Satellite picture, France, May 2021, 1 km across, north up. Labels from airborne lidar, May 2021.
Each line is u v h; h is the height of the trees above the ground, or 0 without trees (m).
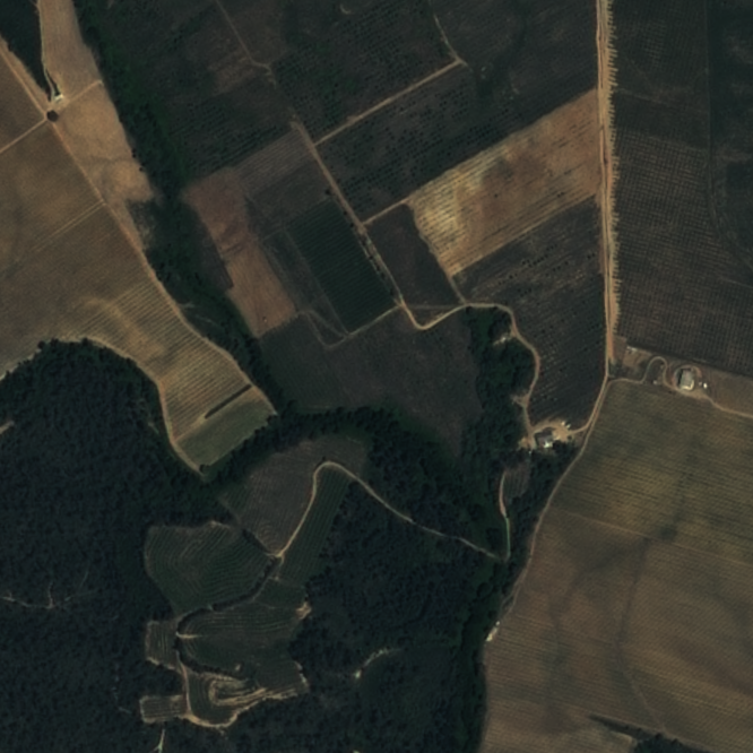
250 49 0
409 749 22
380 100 0
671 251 0
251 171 0
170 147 7
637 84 0
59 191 0
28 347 0
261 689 0
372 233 0
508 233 0
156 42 0
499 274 0
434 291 0
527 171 0
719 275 0
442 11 0
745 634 0
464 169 0
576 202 0
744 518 0
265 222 0
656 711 0
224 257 0
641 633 0
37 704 26
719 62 0
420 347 0
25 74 0
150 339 0
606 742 0
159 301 0
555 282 0
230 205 0
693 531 0
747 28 0
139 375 12
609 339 0
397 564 7
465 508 16
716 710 0
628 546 0
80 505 19
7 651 20
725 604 0
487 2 0
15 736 13
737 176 0
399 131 0
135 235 0
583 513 0
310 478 0
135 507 6
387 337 0
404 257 0
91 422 13
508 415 7
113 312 0
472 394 0
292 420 15
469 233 0
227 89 0
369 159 0
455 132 0
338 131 0
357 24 5
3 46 0
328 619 8
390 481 21
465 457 7
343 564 15
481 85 0
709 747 0
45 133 0
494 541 16
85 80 0
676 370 0
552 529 0
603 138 0
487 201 0
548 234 0
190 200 0
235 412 0
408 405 0
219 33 0
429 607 19
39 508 13
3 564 19
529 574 0
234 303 0
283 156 0
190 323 0
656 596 0
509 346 12
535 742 0
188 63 0
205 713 0
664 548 0
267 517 0
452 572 22
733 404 0
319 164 0
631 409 0
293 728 22
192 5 0
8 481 28
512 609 0
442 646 7
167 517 28
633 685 0
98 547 14
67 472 8
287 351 0
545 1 0
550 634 0
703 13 0
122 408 26
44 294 0
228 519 18
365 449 0
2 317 0
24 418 18
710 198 0
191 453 0
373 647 6
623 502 0
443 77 0
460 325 0
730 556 0
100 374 25
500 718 0
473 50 0
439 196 0
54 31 0
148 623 17
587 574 0
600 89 0
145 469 26
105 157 0
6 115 0
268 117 0
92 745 11
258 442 14
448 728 18
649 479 0
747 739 0
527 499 7
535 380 0
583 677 0
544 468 16
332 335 0
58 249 0
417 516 16
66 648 25
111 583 23
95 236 0
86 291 0
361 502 16
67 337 0
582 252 0
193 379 0
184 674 0
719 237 0
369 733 16
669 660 0
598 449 0
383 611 16
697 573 0
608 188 0
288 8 0
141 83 0
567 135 0
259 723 21
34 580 18
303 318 0
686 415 0
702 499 0
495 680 0
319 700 18
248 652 0
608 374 0
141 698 14
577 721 0
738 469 0
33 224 0
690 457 0
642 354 0
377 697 6
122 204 0
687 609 0
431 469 21
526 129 0
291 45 0
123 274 0
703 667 0
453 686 9
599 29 0
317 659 25
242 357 13
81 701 9
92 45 0
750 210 0
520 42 0
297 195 0
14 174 0
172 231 0
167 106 0
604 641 0
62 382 14
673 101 0
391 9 6
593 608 0
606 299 0
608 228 0
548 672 0
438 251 0
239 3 0
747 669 0
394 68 7
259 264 0
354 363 0
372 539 17
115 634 17
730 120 0
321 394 0
